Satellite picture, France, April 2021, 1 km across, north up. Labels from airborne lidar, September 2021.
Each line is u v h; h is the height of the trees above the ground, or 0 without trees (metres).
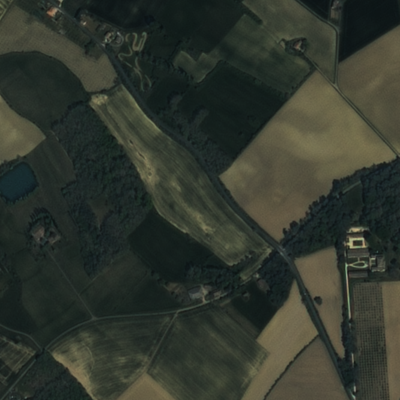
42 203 0
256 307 0
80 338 0
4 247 0
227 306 0
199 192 0
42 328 0
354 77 0
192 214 0
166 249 0
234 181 0
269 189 0
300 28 0
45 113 0
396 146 0
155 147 0
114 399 0
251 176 0
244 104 0
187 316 0
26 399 0
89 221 12
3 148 0
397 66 0
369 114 0
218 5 0
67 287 0
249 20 0
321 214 24
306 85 0
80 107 19
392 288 0
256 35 0
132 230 17
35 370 6
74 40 7
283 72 0
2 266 0
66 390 19
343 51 0
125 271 0
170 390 0
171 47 0
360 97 0
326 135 0
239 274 10
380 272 8
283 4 0
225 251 0
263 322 0
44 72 0
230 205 0
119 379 0
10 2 0
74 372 0
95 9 0
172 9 0
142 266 0
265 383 0
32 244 6
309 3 0
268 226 0
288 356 0
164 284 11
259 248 0
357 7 0
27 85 0
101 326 0
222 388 0
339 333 0
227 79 0
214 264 0
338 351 0
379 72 0
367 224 20
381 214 32
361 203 0
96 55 0
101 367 0
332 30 0
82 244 5
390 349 0
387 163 0
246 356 0
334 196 11
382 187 22
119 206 13
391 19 0
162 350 0
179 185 0
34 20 0
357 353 14
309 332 0
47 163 0
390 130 0
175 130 9
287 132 0
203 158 15
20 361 0
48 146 0
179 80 0
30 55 0
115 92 0
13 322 0
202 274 12
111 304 0
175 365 0
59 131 15
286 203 0
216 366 0
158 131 0
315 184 0
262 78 0
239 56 0
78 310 0
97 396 0
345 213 23
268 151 0
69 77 0
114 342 0
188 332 0
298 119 0
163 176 0
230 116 0
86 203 15
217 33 0
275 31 0
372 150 0
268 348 0
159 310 0
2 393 0
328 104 0
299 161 0
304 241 10
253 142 0
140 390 0
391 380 0
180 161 0
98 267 15
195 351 0
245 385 0
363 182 17
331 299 0
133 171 20
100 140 23
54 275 0
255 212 0
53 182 0
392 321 0
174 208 0
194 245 0
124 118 0
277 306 12
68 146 11
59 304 0
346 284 0
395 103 0
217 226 0
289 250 22
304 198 0
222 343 0
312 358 0
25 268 0
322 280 0
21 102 0
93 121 21
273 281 17
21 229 0
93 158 20
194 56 14
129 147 0
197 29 0
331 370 0
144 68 0
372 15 0
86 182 17
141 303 0
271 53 0
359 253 0
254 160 0
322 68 0
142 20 0
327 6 0
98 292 0
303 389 0
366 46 0
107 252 14
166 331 0
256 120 7
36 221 9
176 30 0
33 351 0
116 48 0
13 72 0
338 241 17
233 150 0
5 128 0
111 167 22
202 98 0
